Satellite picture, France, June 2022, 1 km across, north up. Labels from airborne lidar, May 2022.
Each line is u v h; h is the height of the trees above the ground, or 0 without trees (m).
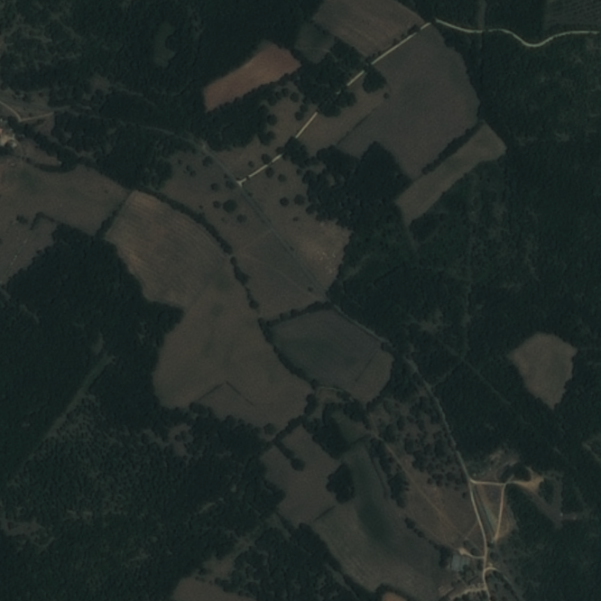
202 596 0
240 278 12
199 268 0
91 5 10
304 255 0
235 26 16
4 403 12
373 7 0
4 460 9
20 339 13
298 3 11
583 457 9
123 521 9
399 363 11
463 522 0
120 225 0
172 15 12
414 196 0
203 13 9
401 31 0
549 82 6
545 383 0
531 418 10
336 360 0
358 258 6
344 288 8
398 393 12
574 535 9
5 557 13
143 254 0
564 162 6
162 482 11
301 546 12
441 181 0
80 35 8
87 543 7
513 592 7
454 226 7
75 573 6
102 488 8
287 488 0
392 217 14
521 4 14
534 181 8
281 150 11
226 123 12
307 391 0
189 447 11
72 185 0
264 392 0
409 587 0
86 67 6
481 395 14
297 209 0
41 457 12
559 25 8
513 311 10
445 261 9
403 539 0
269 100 10
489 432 10
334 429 20
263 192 0
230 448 14
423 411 10
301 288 0
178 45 17
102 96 9
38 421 12
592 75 5
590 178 6
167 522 11
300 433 0
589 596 9
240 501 11
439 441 8
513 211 7
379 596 12
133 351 12
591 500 9
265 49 0
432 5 6
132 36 13
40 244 0
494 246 13
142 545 7
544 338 0
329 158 11
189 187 0
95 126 15
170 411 17
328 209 11
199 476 12
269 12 16
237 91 0
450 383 11
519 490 8
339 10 0
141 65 14
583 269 11
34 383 12
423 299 13
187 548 14
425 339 10
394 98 0
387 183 20
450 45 14
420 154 0
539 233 9
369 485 0
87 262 14
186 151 9
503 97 7
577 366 9
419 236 7
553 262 8
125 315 11
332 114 15
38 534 8
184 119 10
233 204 11
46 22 10
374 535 0
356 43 0
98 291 12
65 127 11
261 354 0
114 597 9
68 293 12
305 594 11
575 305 12
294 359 0
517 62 6
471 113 0
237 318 0
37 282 14
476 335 9
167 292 0
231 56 15
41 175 0
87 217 0
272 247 0
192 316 0
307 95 13
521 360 0
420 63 0
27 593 8
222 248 8
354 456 0
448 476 9
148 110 10
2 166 0
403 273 12
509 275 6
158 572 14
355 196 11
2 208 0
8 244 0
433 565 0
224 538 11
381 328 12
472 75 9
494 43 12
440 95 0
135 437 12
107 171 11
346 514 0
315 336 0
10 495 11
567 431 11
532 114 6
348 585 11
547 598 7
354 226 14
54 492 15
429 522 0
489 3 10
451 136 0
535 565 6
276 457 0
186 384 0
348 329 0
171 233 0
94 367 8
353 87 0
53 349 11
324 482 0
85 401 11
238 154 0
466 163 0
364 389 0
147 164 9
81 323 11
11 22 10
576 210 8
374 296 16
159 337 11
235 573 9
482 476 0
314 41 0
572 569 9
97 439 13
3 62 8
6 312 14
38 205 0
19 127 11
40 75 7
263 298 0
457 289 10
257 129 16
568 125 7
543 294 9
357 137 0
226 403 0
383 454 11
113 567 6
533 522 6
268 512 13
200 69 15
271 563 12
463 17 8
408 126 0
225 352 0
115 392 14
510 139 7
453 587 8
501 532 0
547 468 12
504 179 9
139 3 11
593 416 12
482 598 7
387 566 0
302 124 0
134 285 14
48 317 12
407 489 8
